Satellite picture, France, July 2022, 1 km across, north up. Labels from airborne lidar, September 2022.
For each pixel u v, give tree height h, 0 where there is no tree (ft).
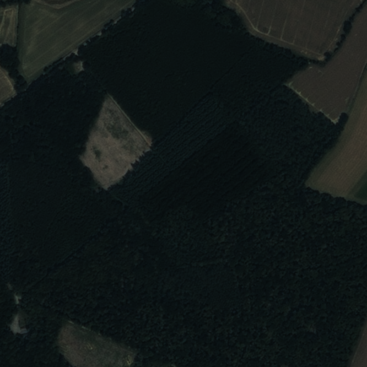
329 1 0
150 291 89
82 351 0
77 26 0
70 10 0
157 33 28
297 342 70
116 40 23
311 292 74
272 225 80
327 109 0
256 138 80
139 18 31
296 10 0
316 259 81
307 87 0
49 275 72
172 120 33
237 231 76
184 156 65
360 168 0
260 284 78
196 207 58
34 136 71
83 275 72
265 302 74
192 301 74
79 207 29
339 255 69
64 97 75
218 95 51
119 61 29
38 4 0
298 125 42
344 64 0
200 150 63
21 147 68
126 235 84
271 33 0
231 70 49
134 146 0
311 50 0
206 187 49
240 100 30
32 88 59
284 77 56
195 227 41
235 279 54
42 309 74
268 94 72
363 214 76
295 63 49
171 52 31
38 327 39
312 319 77
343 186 0
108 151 0
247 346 72
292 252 77
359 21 0
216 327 73
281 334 66
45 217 63
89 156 0
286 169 88
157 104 42
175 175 55
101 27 0
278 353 74
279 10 0
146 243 68
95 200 35
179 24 31
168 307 75
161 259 75
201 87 34
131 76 36
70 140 79
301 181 74
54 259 38
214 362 76
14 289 69
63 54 0
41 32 0
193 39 33
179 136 69
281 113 91
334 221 89
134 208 76
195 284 110
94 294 68
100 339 0
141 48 27
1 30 0
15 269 78
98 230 23
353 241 83
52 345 75
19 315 0
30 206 44
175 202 54
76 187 43
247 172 62
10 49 76
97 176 0
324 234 80
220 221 81
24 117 63
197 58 31
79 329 0
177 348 76
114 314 71
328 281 82
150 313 71
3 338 84
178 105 40
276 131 105
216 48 35
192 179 53
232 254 72
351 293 79
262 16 0
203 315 71
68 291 70
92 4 0
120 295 80
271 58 51
